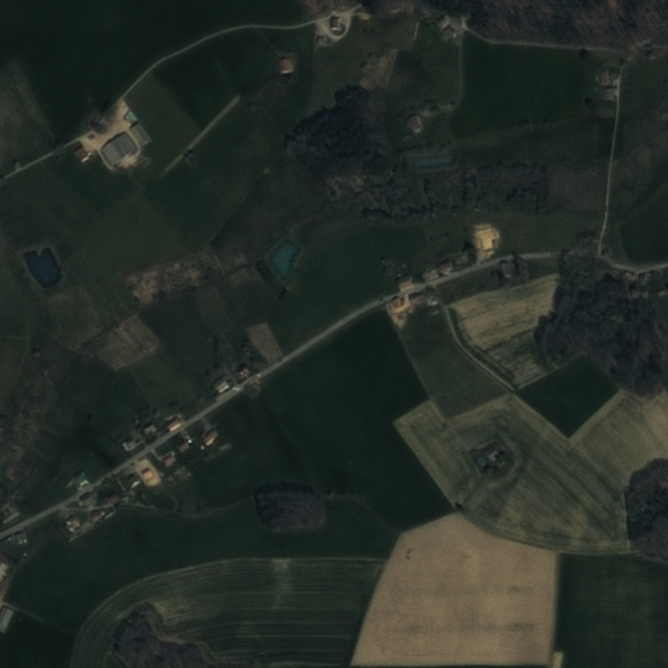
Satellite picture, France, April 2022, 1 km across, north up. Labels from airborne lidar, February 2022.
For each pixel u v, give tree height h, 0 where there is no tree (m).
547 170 6
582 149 0
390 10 23
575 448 0
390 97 0
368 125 25
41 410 0
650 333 19
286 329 0
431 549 0
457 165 14
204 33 0
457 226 0
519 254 0
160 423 0
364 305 0
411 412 0
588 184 0
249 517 0
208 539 0
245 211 0
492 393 0
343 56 0
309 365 0
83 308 0
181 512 0
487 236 0
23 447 0
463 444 0
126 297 0
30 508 0
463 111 0
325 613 0
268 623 0
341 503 0
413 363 0
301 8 12
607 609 0
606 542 0
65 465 0
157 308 0
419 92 0
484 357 0
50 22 0
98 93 0
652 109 0
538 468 0
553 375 0
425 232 0
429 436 0
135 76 0
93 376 0
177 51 0
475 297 0
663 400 0
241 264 0
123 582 0
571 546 0
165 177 0
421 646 0
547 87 0
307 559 0
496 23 27
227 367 25
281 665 0
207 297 0
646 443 0
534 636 0
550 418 0
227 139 0
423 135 0
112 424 0
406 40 0
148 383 0
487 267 0
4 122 0
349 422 0
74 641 0
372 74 0
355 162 25
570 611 0
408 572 0
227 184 0
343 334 0
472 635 0
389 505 0
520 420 0
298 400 0
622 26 27
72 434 0
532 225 0
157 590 0
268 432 0
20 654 0
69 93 0
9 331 0
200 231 0
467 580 0
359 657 0
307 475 0
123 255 0
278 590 0
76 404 0
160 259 0
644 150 0
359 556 0
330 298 0
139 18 0
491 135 0
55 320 0
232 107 0
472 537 0
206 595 0
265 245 0
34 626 0
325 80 0
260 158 0
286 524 30
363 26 0
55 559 0
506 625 0
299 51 0
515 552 0
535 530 0
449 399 0
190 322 0
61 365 0
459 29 0
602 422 0
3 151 0
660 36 25
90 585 0
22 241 0
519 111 0
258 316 0
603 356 29
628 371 29
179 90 0
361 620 0
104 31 0
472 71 0
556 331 29
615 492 0
